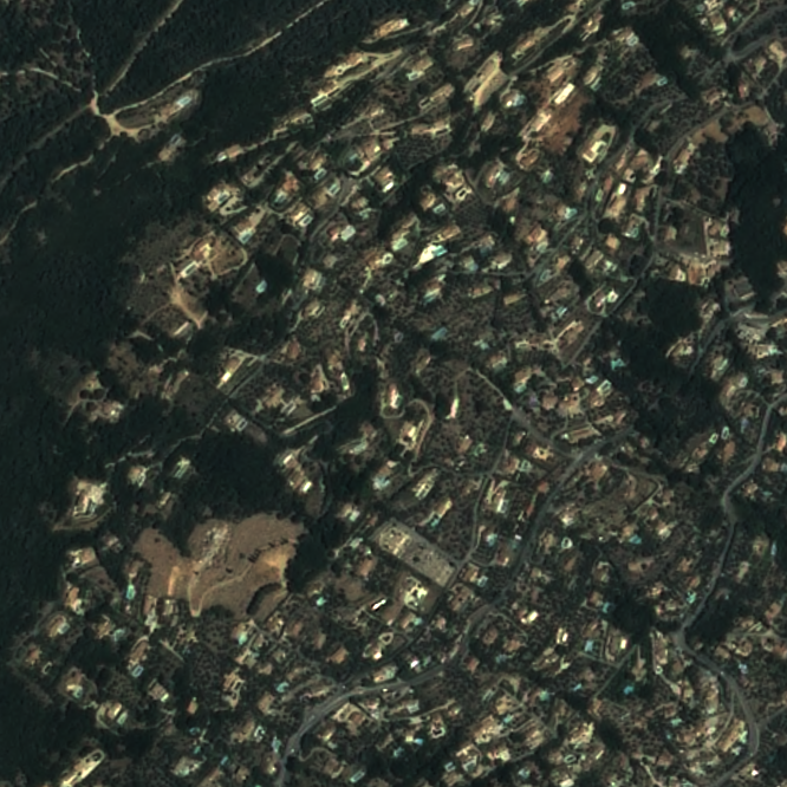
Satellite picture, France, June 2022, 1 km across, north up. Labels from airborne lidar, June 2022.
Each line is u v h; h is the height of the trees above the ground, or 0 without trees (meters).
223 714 13
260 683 7
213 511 9
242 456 11
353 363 9
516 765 9
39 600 6
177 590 0
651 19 12
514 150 13
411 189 13
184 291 0
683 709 7
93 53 13
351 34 9
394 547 0
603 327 11
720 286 15
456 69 6
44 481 11
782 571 6
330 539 18
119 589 6
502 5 15
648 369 18
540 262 8
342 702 0
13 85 8
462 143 6
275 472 15
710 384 16
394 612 0
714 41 7
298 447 18
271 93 8
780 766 10
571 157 13
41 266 7
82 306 10
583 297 10
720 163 9
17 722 13
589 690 7
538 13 8
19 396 9
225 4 9
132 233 9
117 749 15
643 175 11
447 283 9
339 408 8
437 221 6
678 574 7
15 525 15
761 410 5
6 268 10
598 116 16
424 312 6
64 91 9
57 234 5
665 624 15
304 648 6
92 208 12
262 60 13
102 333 15
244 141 10
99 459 8
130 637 7
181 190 10
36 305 6
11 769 12
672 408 8
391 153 6
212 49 14
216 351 6
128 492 14
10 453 9
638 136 14
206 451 15
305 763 6
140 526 13
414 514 7
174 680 11
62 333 14
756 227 13
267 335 9
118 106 13
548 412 6
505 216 15
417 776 10
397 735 6
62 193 7
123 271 14
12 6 8
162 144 13
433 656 6
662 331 7
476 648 6
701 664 7
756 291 9
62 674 8
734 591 9
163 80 8
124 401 10
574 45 8
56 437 13
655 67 7
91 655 16
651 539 6
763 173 16
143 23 15
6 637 11
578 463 0
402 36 6
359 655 8
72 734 16
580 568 7
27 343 16
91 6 9
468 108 9
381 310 17
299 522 19
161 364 21
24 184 8
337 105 8
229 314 15
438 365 7
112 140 9
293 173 9
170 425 20
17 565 9
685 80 16
